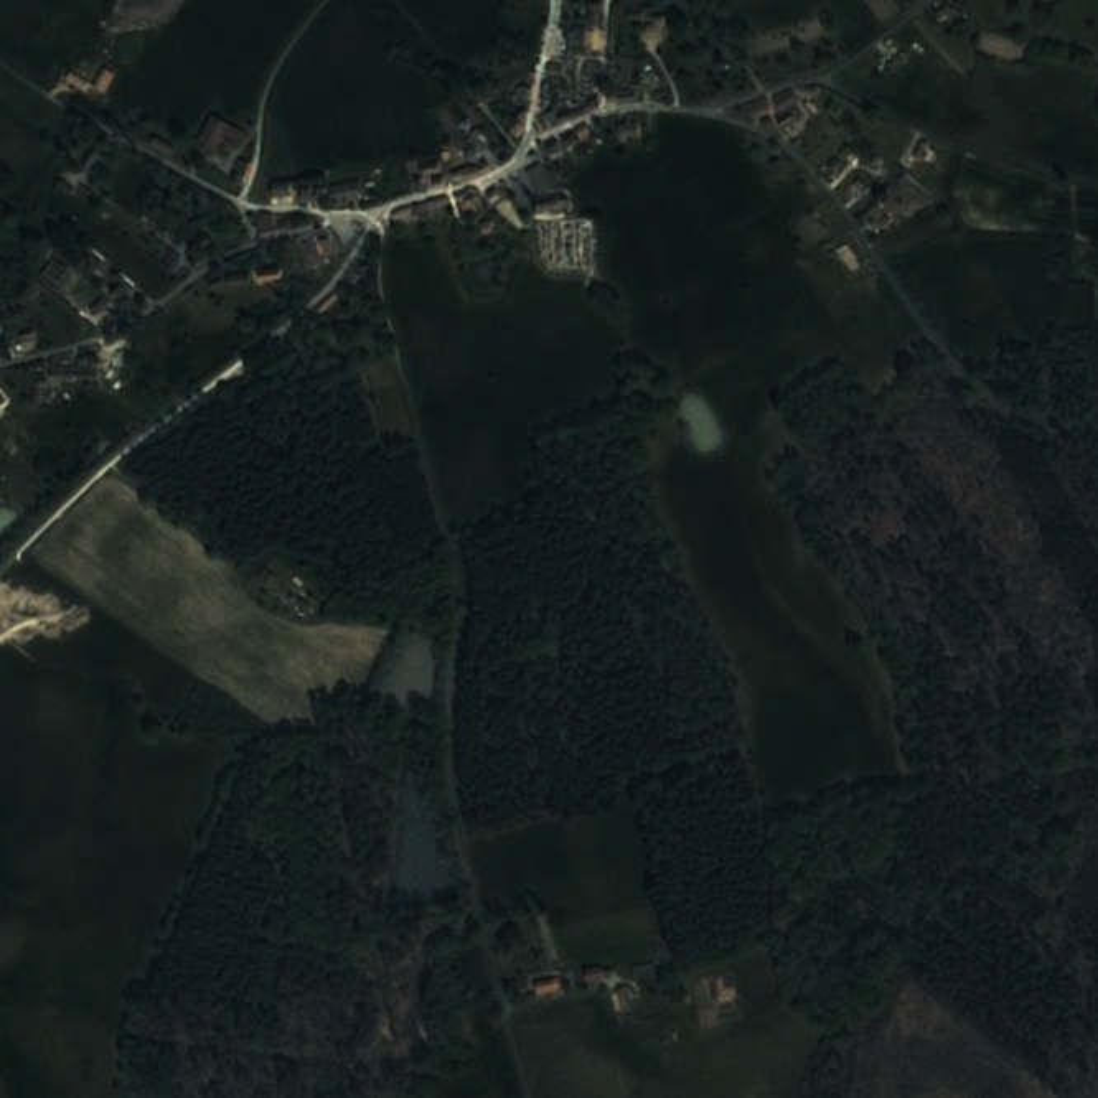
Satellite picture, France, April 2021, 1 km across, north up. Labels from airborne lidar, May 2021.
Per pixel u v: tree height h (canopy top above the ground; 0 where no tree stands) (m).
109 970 0
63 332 0
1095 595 10
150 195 14
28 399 11
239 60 0
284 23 0
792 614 0
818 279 0
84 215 0
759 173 0
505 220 7
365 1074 18
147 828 0
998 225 0
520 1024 0
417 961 0
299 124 0
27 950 0
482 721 20
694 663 25
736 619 0
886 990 20
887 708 0
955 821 21
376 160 0
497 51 12
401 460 13
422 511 11
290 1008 16
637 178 0
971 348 0
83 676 0
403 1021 0
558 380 0
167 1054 25
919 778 16
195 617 0
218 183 0
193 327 0
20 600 0
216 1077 12
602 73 12
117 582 0
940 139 0
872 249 0
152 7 0
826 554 23
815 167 0
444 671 14
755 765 6
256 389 16
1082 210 0
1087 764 9
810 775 0
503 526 20
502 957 13
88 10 0
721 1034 0
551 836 0
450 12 0
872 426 17
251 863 21
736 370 0
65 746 0
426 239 6
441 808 20
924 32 0
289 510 19
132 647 0
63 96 0
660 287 0
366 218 0
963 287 0
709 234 0
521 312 0
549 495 18
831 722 0
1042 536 9
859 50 0
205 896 19
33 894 0
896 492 8
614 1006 0
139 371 5
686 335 0
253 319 16
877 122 12
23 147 0
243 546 18
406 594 18
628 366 15
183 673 0
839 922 8
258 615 0
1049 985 22
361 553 20
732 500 0
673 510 0
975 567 24
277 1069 15
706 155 0
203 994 20
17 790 0
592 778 21
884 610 12
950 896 10
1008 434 9
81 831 0
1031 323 0
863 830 22
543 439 16
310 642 0
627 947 0
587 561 19
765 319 0
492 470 0
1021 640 20
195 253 7
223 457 21
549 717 20
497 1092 0
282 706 0
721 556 0
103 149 10
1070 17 0
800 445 12
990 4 0
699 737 21
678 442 0
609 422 22
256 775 19
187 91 0
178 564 0
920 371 14
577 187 0
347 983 24
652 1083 0
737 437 0
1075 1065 13
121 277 8
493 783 20
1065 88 0
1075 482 21
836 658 0
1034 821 21
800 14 0
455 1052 17
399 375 0
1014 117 0
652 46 0
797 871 23
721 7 18
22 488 0
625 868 0
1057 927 14
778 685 0
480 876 0
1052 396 7
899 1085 0
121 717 0
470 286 0
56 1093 0
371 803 20
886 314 0
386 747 24
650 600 19
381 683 10
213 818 13
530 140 0
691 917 20
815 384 14
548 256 0
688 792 20
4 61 0
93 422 0
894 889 12
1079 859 16
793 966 21
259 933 12
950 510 22
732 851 21
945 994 25
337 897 29
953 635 8
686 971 10
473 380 0
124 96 0
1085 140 0
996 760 14
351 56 0
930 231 0
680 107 0
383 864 26
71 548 0
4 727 0
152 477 19
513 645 15
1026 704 29
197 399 14
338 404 7
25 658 0
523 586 20
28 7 0
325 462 21
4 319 11
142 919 0
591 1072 0
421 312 0
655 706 21
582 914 0
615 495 24
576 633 20
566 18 11
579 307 0
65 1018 0
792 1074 0
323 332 16
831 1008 28
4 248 0
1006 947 24
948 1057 0
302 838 28
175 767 0
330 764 21
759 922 22
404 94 0
